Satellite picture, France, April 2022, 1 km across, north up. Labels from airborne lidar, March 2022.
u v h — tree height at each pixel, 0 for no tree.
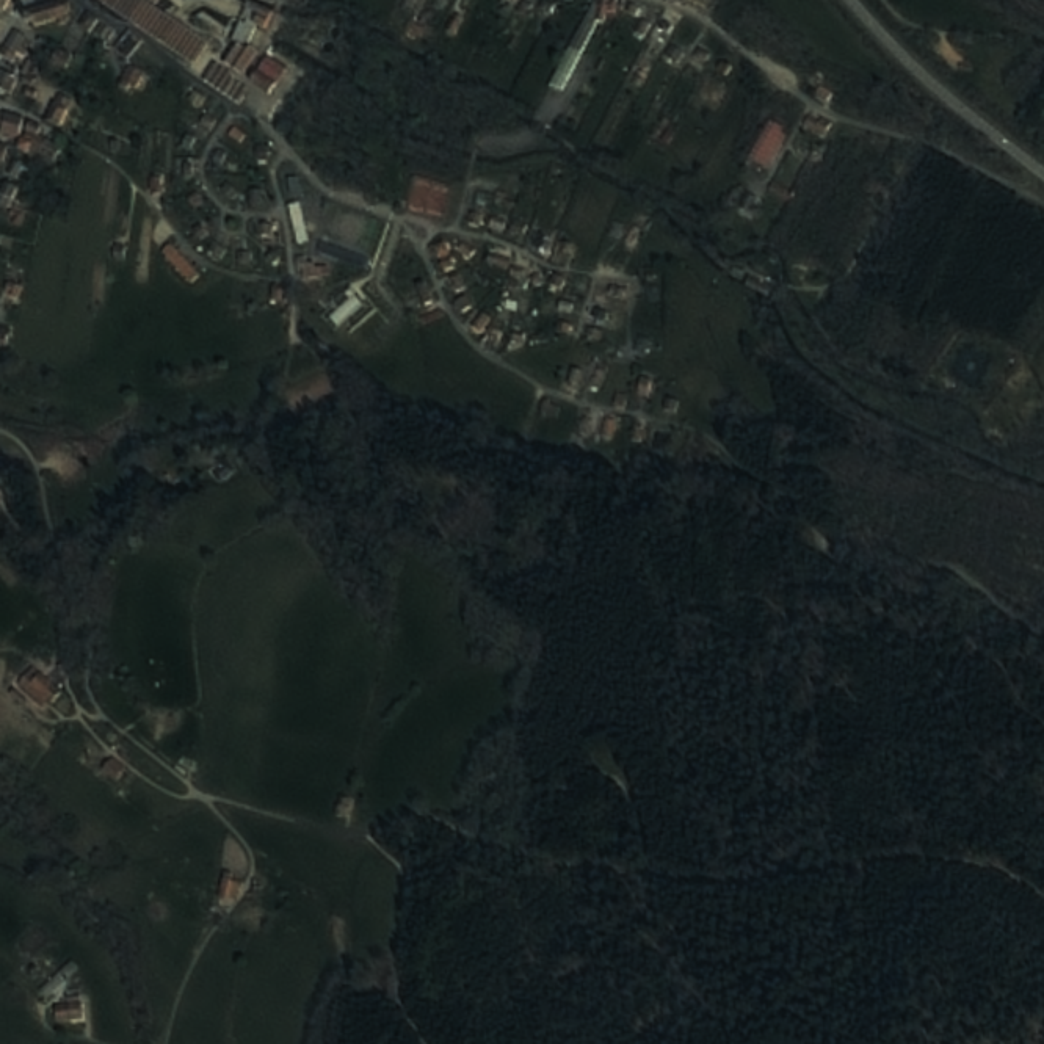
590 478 33
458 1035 19
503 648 26
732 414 17
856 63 0
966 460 19
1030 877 23
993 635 14
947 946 16
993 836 18
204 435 20
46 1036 0
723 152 0
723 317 0
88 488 0
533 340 7
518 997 9
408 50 23
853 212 14
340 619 0
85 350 0
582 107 8
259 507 0
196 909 0
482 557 28
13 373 20
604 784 18
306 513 26
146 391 0
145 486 29
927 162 23
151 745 0
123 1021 0
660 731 27
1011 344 12
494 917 11
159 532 23
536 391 0
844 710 13
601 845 13
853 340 19
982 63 0
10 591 0
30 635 0
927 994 13
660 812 25
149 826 0
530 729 24
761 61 0
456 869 18
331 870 0
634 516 23
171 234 0
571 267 0
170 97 0
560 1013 10
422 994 17
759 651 19
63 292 0
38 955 0
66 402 0
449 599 0
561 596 28
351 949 0
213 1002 0
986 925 18
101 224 0
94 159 0
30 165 14
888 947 10
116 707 0
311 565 0
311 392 0
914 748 16
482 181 0
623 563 29
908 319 21
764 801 10
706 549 14
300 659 0
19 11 0
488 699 0
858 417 19
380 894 0
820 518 35
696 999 16
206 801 0
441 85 21
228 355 0
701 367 0
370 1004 19
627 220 0
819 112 0
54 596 14
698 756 23
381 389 25
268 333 0
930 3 0
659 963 11
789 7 0
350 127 23
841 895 31
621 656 23
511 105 22
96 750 0
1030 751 15
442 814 7
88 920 12
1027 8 30
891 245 20
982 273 15
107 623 22
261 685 0
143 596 0
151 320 0
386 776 0
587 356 0
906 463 21
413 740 0
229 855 0
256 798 0
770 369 13
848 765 16
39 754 0
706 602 12
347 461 22
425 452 30
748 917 31
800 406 12
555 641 26
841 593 19
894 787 13
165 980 0
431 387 0
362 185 19
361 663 0
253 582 0
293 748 0
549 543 20
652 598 22
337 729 0
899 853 21
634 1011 7
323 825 0
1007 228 15
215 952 0
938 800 22
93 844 0
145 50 0
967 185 20
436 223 0
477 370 0
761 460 29
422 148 18
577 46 0
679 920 26
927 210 24
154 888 0
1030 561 8
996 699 20
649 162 0
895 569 27
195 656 0
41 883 24
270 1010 0
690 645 18
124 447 0
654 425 0
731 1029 24
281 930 0
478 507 31
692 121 0
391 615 14
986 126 0
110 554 24
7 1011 0
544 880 10
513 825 23
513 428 0
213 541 0
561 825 17
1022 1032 27
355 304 0
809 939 23
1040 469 19
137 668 0
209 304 0
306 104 14
